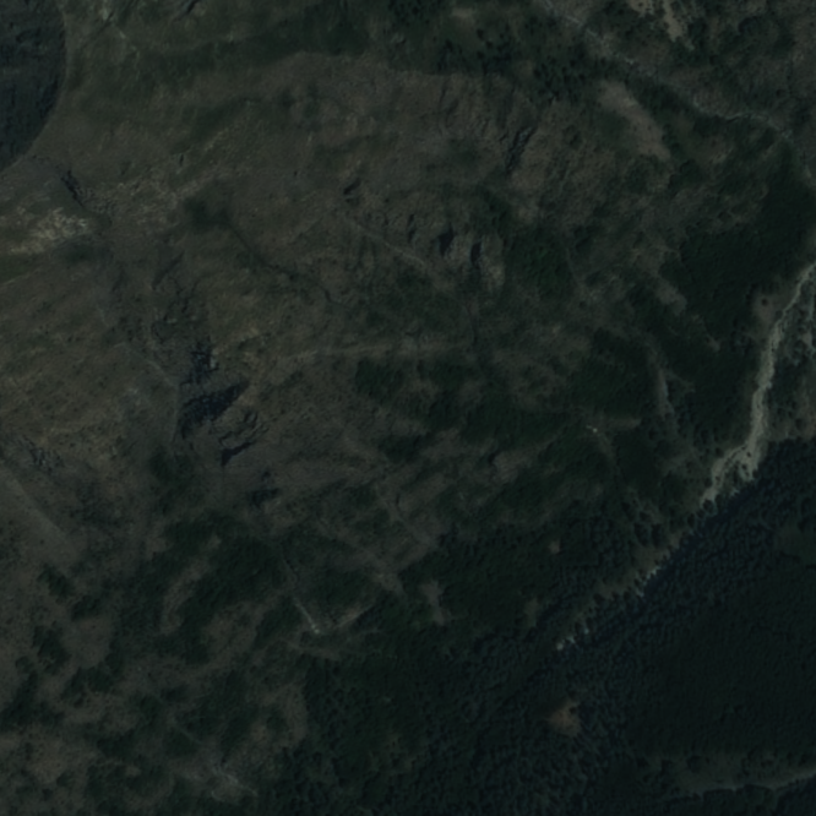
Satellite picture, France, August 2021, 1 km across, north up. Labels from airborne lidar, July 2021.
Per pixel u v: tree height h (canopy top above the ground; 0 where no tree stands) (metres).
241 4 0
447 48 10
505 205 9
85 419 0
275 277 0
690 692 18
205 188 0
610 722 33
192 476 10
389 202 8
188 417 6
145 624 6
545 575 19
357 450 0
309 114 0
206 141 0
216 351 0
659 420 9
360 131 0
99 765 7
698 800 14
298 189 0
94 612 16
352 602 7
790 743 15
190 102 0
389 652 21
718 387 18
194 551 7
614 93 0
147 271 0
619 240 6
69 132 0
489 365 7
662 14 7
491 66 9
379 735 15
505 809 34
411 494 6
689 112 9
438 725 12
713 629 17
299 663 11
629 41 8
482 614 17
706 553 25
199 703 6
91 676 8
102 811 11
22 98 0
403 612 8
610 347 14
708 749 15
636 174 7
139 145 0
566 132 8
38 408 0
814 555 0
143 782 9
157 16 0
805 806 18
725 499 7
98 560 7
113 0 0
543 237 18
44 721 5
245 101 0
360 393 8
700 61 19
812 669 19
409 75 0
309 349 0
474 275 8
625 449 11
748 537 29
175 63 0
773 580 27
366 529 6
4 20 0
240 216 0
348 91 0
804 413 0
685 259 16
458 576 18
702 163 0
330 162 0
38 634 13
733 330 10
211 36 0
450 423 12
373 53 0
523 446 9
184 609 7
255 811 7
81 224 0
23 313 0
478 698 30
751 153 9
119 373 0
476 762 14
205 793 10
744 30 21
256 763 11
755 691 16
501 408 6
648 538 26
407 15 10
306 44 0
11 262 0
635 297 12
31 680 11
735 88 10
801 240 29
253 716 10
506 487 11
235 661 6
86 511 8
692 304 17
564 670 31
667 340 12
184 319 0
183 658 8
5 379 0
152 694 5
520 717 30
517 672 36
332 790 10
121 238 0
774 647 18
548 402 9
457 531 8
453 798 20
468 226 9
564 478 9
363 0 0
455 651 9
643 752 17
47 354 0
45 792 9
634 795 17
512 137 7
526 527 6
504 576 21
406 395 6
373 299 6
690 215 6
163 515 7
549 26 6
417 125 0
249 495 7
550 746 35
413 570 20
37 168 0
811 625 17
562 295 8
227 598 17
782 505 10
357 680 9
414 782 7
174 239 0
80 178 0
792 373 10
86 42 0
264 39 0
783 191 14
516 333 6
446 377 14
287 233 0
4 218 0
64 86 0
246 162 0
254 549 16
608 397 15
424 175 0
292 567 13
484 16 0
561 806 31
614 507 8
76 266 0
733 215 7
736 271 17
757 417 0
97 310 0
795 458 23
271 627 15
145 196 0
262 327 0
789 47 6
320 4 0
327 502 8
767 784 0
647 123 0
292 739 9
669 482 12
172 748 7
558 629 28
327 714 25
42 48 0
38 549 0
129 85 0
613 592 0
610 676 30
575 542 22
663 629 32
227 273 0
